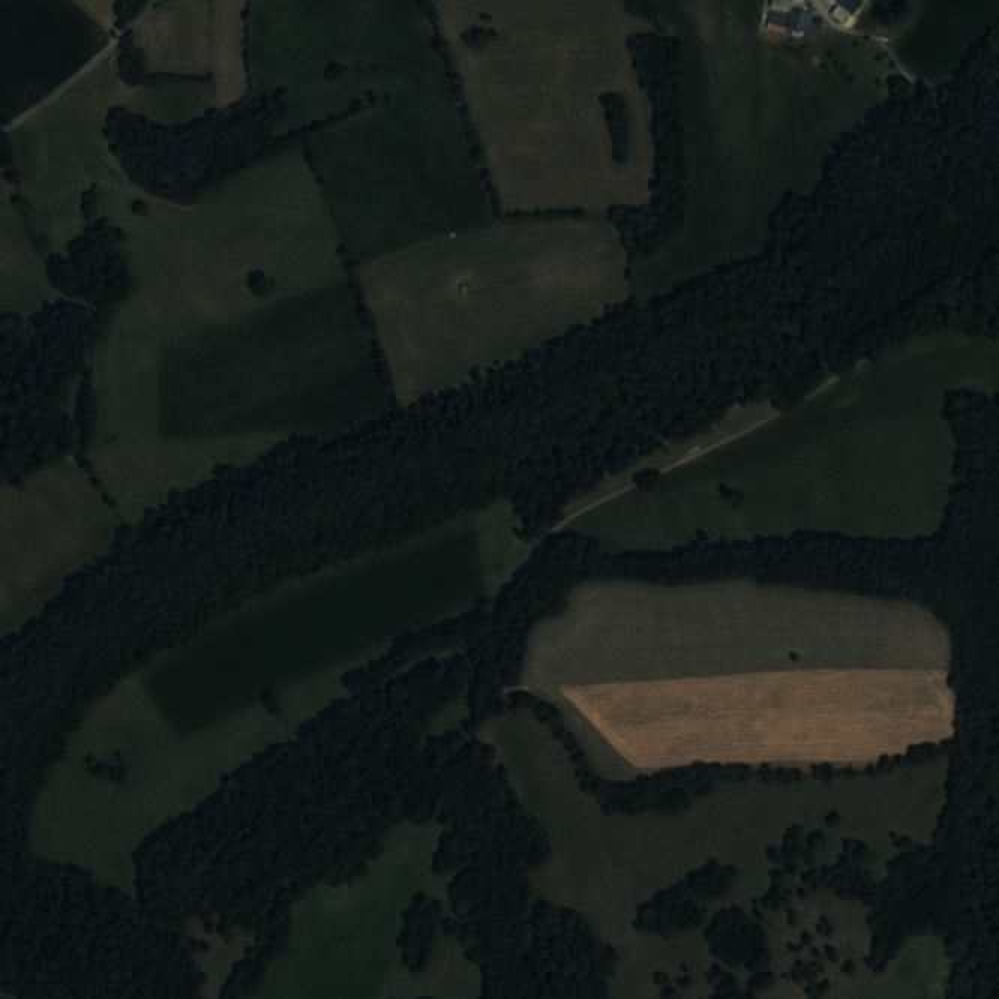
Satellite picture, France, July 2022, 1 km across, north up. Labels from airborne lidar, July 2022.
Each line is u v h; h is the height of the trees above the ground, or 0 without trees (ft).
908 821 0
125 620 57
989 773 98
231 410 0
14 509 0
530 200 0
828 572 69
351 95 0
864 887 29
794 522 0
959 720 40
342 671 0
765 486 0
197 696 0
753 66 0
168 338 0
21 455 88
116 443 0
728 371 100
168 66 0
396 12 0
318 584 0
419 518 77
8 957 74
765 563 66
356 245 0
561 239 0
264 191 0
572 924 60
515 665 68
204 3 0
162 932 65
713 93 0
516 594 66
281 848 57
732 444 0
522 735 0
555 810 0
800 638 0
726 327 75
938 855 51
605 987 47
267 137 50
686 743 0
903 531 0
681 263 0
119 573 68
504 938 87
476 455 69
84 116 0
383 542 50
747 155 0
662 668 0
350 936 0
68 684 61
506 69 0
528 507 74
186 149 73
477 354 0
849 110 0
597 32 0
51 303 0
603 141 0
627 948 0
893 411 0
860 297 21
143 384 0
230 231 0
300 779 50
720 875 52
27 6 0
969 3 0
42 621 25
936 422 0
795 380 76
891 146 75
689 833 0
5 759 88
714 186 0
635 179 0
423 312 0
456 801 72
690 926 57
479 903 53
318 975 0
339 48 0
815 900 0
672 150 72
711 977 50
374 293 0
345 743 54
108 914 58
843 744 0
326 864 67
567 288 0
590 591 0
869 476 0
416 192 0
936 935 41
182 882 56
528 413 77
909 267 26
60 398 80
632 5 60
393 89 0
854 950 0
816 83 0
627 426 100
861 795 0
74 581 50
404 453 77
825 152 0
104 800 0
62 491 0
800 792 0
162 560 63
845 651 0
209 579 87
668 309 84
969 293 95
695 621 0
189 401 0
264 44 0
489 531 0
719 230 0
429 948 54
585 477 97
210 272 0
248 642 0
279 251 0
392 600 0
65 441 87
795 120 0
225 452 0
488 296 0
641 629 0
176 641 76
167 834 62
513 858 59
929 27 0
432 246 0
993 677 71
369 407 0
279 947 72
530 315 0
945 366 0
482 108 0
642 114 0
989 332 62
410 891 0
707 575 53
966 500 56
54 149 0
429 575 0
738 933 42
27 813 72
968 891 81
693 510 0
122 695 0
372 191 0
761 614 0
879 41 0
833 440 0
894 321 77
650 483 64
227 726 0
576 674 0
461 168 0
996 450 45
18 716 82
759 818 0
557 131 0
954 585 74
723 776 59
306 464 84
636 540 0
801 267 96
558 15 0
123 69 44
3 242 0
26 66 0
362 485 68
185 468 0
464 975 0
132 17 26
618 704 0
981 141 81
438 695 84
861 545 39
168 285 0
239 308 0
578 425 91
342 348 0
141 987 66
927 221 75
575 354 72
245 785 70
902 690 0
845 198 80
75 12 0
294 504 56
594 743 0
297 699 0
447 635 65
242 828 45
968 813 72
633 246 22
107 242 66
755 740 0
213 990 0
